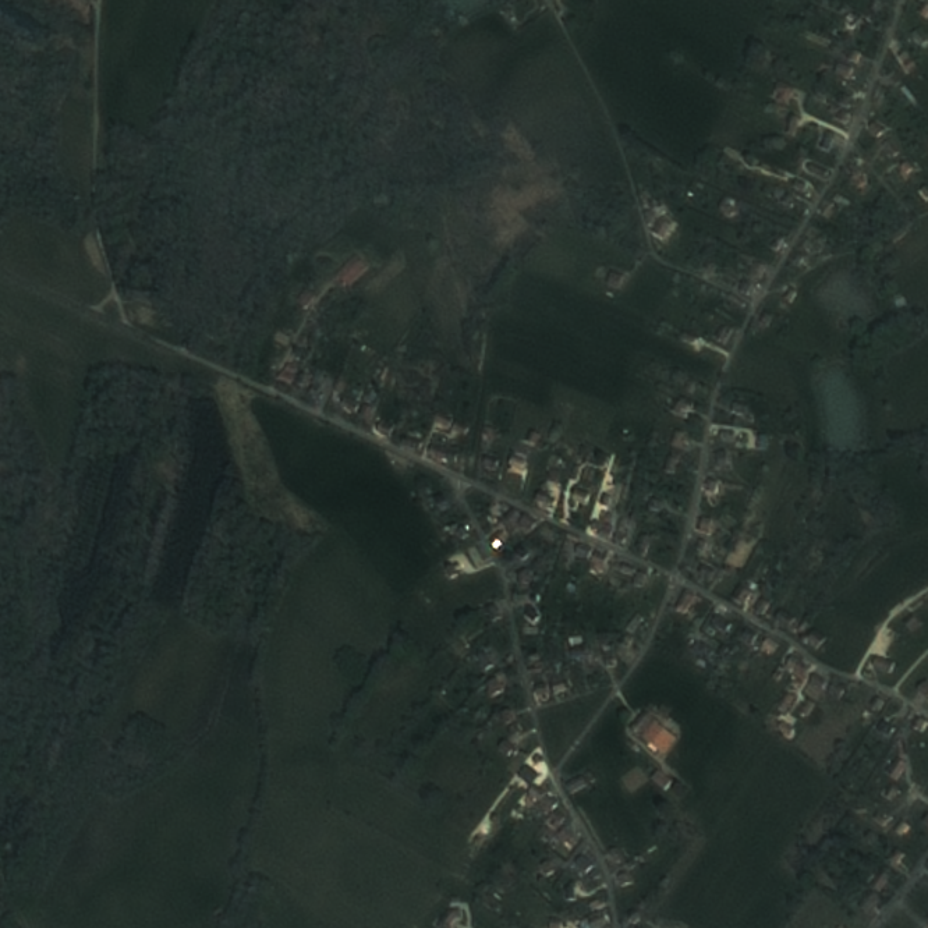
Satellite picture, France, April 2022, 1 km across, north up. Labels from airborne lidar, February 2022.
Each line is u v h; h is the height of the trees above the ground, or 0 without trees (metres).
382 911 0
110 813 0
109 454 9
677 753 0
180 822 0
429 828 0
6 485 19
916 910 0
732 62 0
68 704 21
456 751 0
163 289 19
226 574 21
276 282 17
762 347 0
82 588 19
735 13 0
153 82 0
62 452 0
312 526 0
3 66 8
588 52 0
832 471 15
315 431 0
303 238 20
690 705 0
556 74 0
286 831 0
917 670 0
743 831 0
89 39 0
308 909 0
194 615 11
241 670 0
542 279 0
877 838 8
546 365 0
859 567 0
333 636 0
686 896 0
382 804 0
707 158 11
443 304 0
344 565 0
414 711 10
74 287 0
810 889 15
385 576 0
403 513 0
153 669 0
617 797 0
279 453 0
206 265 21
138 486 14
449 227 0
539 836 0
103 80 0
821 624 0
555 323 0
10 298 0
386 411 0
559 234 0
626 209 8
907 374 0
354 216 0
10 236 0
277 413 0
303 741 0
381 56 6
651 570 0
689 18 0
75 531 0
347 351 0
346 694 0
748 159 13
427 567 0
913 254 0
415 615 0
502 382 0
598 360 0
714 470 0
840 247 7
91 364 0
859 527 0
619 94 0
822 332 0
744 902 0
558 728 0
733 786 0
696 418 11
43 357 0
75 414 0
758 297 0
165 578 11
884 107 0
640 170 0
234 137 21
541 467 0
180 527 11
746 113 0
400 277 0
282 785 0
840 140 0
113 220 20
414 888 0
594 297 0
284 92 25
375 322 0
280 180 27
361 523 0
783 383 0
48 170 13
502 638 0
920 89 0
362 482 0
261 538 17
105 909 0
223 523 22
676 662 0
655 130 0
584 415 0
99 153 0
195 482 12
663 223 0
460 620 14
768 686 0
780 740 0
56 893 0
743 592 0
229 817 0
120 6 0
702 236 15
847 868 8
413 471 0
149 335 0
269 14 9
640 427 0
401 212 19
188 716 0
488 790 0
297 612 0
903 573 0
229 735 0
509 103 0
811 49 0
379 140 13
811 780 0
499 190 0
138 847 0
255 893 15
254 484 0
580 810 0
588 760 0
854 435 0
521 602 0
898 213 10
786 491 0
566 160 0
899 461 0
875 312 0
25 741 24
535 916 0
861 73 0
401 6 7
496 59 0
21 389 20
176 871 0
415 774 19
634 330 0
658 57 0
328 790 0
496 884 11
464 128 19
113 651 21
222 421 11
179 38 0
